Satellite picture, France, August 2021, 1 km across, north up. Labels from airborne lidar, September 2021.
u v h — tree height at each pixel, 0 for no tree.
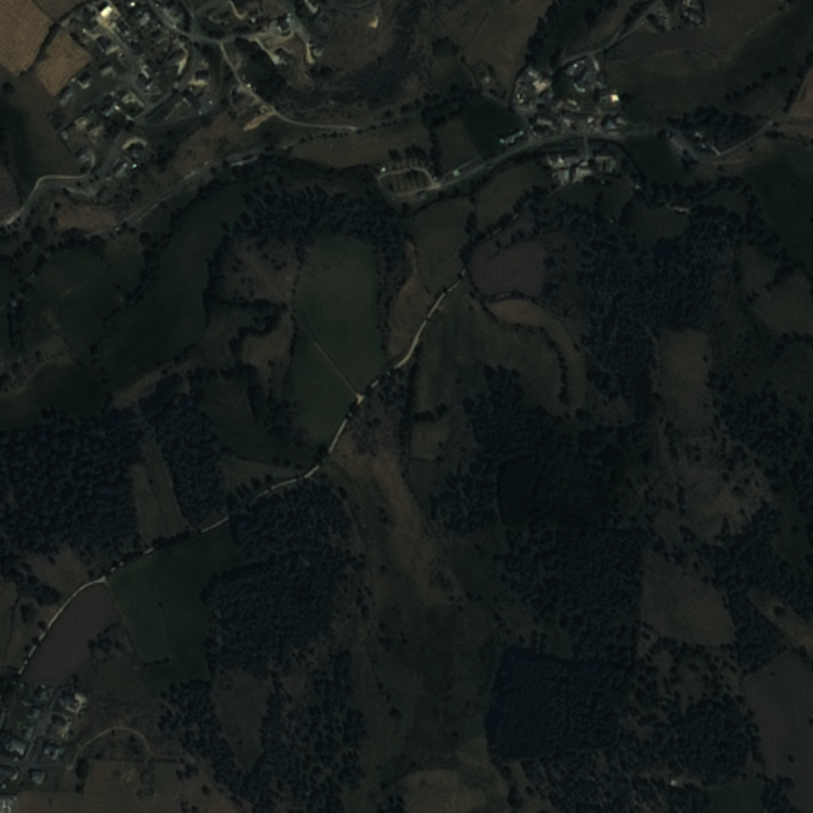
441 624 0
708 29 0
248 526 18
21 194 9
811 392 0
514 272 0
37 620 0
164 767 0
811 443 0
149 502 0
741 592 10
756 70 0
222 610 15
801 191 0
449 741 0
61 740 0
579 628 15
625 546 13
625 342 19
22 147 0
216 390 0
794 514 0
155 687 0
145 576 0
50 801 0
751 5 0
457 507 18
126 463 18
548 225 7
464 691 0
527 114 0
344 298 0
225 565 0
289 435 8
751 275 0
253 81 0
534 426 21
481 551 9
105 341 0
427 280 0
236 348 16
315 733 14
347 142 0
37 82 0
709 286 14
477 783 0
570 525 21
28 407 0
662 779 0
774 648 14
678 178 0
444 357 0
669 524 0
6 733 6
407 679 0
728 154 0
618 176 7
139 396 0
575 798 22
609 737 24
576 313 0
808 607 20
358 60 0
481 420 15
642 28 0
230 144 0
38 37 0
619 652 9
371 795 0
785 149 0
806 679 0
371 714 0
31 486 14
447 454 0
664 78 0
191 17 11
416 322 0
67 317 0
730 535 9
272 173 8
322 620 18
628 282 18
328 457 11
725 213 17
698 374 0
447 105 15
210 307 17
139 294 9
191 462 18
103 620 0
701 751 21
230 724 0
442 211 0
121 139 0
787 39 0
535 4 0
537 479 11
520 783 0
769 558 24
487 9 0
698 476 0
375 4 0
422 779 0
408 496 0
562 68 10
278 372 0
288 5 0
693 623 0
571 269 0
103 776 0
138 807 0
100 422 7
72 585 0
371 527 0
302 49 0
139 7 10
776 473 13
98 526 14
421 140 0
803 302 0
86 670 0
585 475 22
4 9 0
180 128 0
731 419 11
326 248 0
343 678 18
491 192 0
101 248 17
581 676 24
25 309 19
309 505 18
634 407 13
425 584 0
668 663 0
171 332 0
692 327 18
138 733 0
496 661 0
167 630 0
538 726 26
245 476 0
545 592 17
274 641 16
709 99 0
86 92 0
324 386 0
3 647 0
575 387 0
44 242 17
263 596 16
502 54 0
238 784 13
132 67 0
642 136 0
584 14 0
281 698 9
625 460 17
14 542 6
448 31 0
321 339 0
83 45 6
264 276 0
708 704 11
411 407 15
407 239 8
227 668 15
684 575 0
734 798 0
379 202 8
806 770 0
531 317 0
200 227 0
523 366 0
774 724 0
